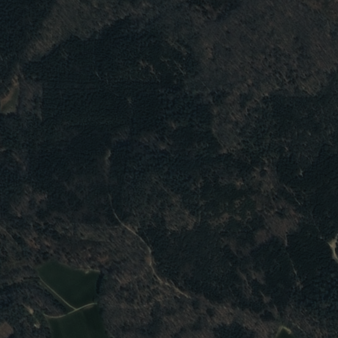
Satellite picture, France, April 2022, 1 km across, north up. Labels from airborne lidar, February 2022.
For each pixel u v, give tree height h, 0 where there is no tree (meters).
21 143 20
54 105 20
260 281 15
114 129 18
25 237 30
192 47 21
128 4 24
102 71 14
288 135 17
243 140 20
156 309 28
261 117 21
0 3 19
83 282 0
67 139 19
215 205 8
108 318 29
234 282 18
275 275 15
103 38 16
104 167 16
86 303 0
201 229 11
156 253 12
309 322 28
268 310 16
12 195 24
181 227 19
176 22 24
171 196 17
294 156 21
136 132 31
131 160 21
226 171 12
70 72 16
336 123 17
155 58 11
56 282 0
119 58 14
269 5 28
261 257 30
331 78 22
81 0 19
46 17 20
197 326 7
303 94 23
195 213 11
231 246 19
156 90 19
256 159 23
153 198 19
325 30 29
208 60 7
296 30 28
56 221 14
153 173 19
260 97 21
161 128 21
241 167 12
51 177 18
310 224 19
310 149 17
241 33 28
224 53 27
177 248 10
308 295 13
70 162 18
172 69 10
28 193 19
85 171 18
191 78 21
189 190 18
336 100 19
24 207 23
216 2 10
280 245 31
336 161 32
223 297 17
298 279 26
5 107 0
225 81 25
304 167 19
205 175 14
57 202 20
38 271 0
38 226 14
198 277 14
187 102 26
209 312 18
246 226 25
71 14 26
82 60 23
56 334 0
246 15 28
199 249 13
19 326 21
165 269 9
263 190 23
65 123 22
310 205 11
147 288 24
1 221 22
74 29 25
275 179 29
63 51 27
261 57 26
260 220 13
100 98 20
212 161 10
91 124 24
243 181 10
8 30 21
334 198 13
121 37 7
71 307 0
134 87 19
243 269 19
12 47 22
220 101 23
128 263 26
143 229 10
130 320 26
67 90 13
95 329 0
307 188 21
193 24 24
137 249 30
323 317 25
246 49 28
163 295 26
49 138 18
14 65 23
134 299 27
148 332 21
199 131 10
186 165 11
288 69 26
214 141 12
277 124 17
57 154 25
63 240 10
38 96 23
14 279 30
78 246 10
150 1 22
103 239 27
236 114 24
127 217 18
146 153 22
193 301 26
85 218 13
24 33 22
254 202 13
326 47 28
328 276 11
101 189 14
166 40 7
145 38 19
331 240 15
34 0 22
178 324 28
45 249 33
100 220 15
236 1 8
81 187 16
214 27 27
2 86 23
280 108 22
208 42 27
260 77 25
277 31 27
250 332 27
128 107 23
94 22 25
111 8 25
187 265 10
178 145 10
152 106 27
